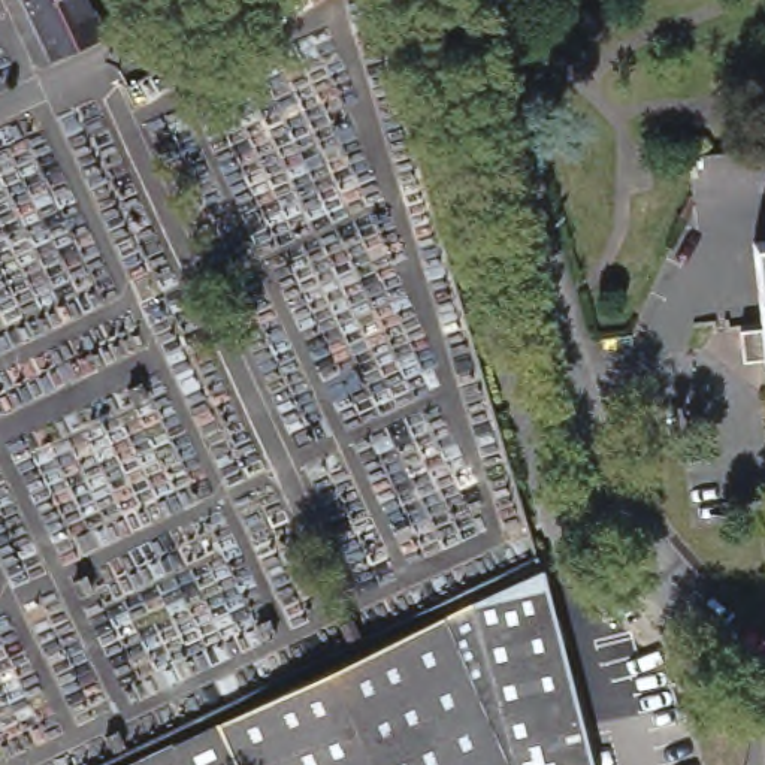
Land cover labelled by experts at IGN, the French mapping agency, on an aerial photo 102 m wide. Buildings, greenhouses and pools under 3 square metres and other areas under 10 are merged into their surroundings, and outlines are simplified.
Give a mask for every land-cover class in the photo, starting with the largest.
<instances>
[{"label":"impervious surface","instance_id":"1","mask_svg":"<svg viewBox=\"0 0 765 765\"><path fill-rule=\"evenodd\" d=\"M266 42L278 54L266 60V69L272 72L269 102L260 114H245L239 128L227 134L194 137L191 131H185L182 120L173 117V108L161 99L170 93V87L158 84L155 75L123 63L111 48L99 42L72 57L51 60L27 0H0V765H134L164 747L185 744L242 711H251L287 690L323 678L436 619H445L475 601H484L538 574L547 577V586L556 601L595 765H765V741L732 747L723 738L693 741L687 735L690 723L678 711L675 681L663 672L660 654H654L660 616L672 622L687 613L717 616V622H729L735 628L744 648L762 657L765 666V568L726 571L720 565H705L678 538L675 529L663 523L660 508L634 496L622 499V514L645 520L648 541H654L657 550L660 583L651 595L639 598V613H631L616 625L592 622L586 610L571 601L568 589L562 586L553 568L550 553L532 550L523 502L517 493V478L505 442L499 436L493 406L487 391L478 388L481 359L475 356L469 341V323L463 317L457 284L448 272L442 248L430 239L427 221L433 209L424 188V164L409 158L403 143V126L391 120L385 96L380 90V78L385 72H394L391 54L383 51L380 42H359V15L353 0H308L302 15H290L284 9L272 15ZM212 275H218L230 287L227 305L233 311H257V332L251 338V347L236 359H227V350L221 347L185 341L191 332H197V323H188L179 314V299L173 290L179 278L188 281ZM293 517L305 526L308 535L323 538L329 547H341L359 577L356 601L344 607L350 622L338 631L332 625H323L317 601L299 595L290 577L284 574L287 547L281 544V532L284 526H290ZM717 15V9L705 6L684 18H666L648 27L628 33L610 27V39L601 45L598 69L589 81L574 87L589 105H595V111L610 123L616 137V221L610 242L601 251V263L586 266L589 287L601 284L604 293L628 290V269L613 263L619 260V251L631 227V197L648 191L654 179L639 161L642 137L645 114L684 108L699 114L708 128L699 143V161L690 170V221H684V233L678 245L666 254L654 290L648 293L639 314L631 335L601 341L586 332L577 290L565 266V248L559 239V218L568 212L556 164L538 161L535 149H523L514 155V167L517 176L526 182L523 203L547 230V239L535 242V248L547 254L541 269L553 278V308L544 311V320L553 323L559 332V344L550 353L553 385H559L565 397L574 403V418L562 421L565 436L580 445L595 442V421L607 418L604 394H613L616 403L631 409L657 403L666 406L663 424H678L681 433H687L696 424L717 430L720 460L690 469V511L699 514V520L705 523H711L714 514L726 517L729 511L750 508L753 499L765 493V359L759 344V296L753 251L765 248V173L744 170L729 155H720L726 140L723 102L714 90L690 102H613L604 90L607 75L619 72V81H628L631 69L637 66V51H642L648 42L663 39L672 42L678 51H690L693 27ZM517 439L529 469L532 496L541 493L535 448L538 430L532 427V418L526 412L514 418Z\"/></svg>","mask_w":765,"mask_h":765},{"label":"deciduous trees","instance_id":"2","mask_svg":"<svg viewBox=\"0 0 765 765\"><path fill-rule=\"evenodd\" d=\"M105 21L99 30V42L111 48L123 63L155 75L158 84L170 87V93L161 99L173 108V117L182 120L185 131H191L194 137L227 134L239 128L245 114H260L269 102L272 72L266 69V60L278 54L266 42L272 15L284 9L290 15H302L308 0H102ZM359 15V42H380L383 51L391 54L394 72H385L380 78V90L385 96L391 120L403 126V143L409 158L424 164V188L433 209L427 221L430 239L442 248L448 272L457 284L463 317L469 323V341L475 356L481 359L478 388L487 391L493 406L508 403L514 418L526 412L532 418V427L538 430L535 448L541 493L532 496L538 529L550 538V553L553 568L562 586L568 589L571 601L586 610L592 622L616 625L631 613H639V598L651 595L660 583L657 550L654 541H648L645 520L622 514V499L634 496L660 508L666 505V490L657 478L660 454L666 451L669 460H681L690 469L720 460L717 430L696 424L687 433H681L678 424H663L666 406L657 403L631 409L616 403L613 394H604L607 418L595 421V442L580 445L565 436L562 421L574 418V403L565 397L559 385H553L550 353L559 344V332L553 323L544 320V311L553 308V278L541 269L547 254L535 248V242L547 239V230L523 203L526 182L517 176L514 167V155L523 149H535L538 161L556 164H580L586 158L598 134L592 126L583 123L595 111V105H589L574 87L565 93L562 108L550 111V105L541 99V81L529 75V66L547 60L550 51L571 33V27L577 24L580 0H353ZM610 27L628 33L648 27L642 21L645 0H601ZM756 12L741 24L738 42L729 45L726 60L714 75V90L723 102L726 140L720 155H729L744 170L765 173V0H750ZM639 161L654 179L669 176L675 164L684 173L690 170L699 161V143L642 137ZM179 299V314L188 323H197V332H191L185 341L221 347L227 350V359H236L251 347V338L257 332V311H233L227 305L230 287L218 275H212L188 281L179 278L173 290ZM720 538L726 544L747 550L750 544L765 541V493L753 499L750 508L729 511L720 529ZM281 544L287 547L284 574L290 577L299 595L317 601L323 625H332L338 631L350 622L344 607L356 601L359 577L341 547H329L323 538L308 535L305 526L293 517L290 526H284L281 532ZM654 654H660L663 672L675 681L678 711L690 723L687 735L693 741L723 738L732 747L765 741V666L762 657L744 648L738 651L735 645L717 642L714 625L672 631V622L660 616Z\"/></svg>","mask_w":765,"mask_h":765},{"label":"building","instance_id":"3","mask_svg":"<svg viewBox=\"0 0 765 765\"><path fill-rule=\"evenodd\" d=\"M51 60L72 57L99 42V30L105 21L102 0H27ZM759 296V344L765 359V248L753 251ZM134 765H595L556 601L547 586V577L538 574L484 601H475L445 619H436L323 678L287 690L251 711H242L185 744L164 747Z\"/></svg>","mask_w":765,"mask_h":765},{"label":"herbaceous vegetation","instance_id":"4","mask_svg":"<svg viewBox=\"0 0 765 765\"><path fill-rule=\"evenodd\" d=\"M610 39V27L601 0H580L577 24L571 27V33L550 51L547 60L529 66V75L541 81V99L550 105V111L562 108L565 93L574 87L589 81L598 69L601 45ZM705 6L717 9V15L693 27L690 51H678L672 42L663 39L648 42L642 51H637V66L631 69L628 81H619V72L607 75L604 90L613 102H690L714 90V75L726 60L729 45L738 42L741 24L756 12L750 0H645L642 21L648 27L666 18H684ZM708 128L699 114L684 108L645 114L642 137L699 143ZM592 126L598 134L586 158L580 164H556L568 212L586 266L601 263V251L610 242L616 221V137L610 123L595 111L583 123ZM690 170L684 173L675 164L669 176L654 179L648 191L631 197V227L619 251V260L613 263L628 269V311L639 314L648 293L654 290L666 254L678 245L684 233V221H690ZM690 469L681 460H669L666 451L660 454L657 478L666 490V505L660 508L663 523L675 529L678 538L705 565H720L726 571L765 568V541L750 544L747 550L726 544L720 538V529L726 517L714 514L711 523H705L699 520V514L690 511ZM714 625L717 642L735 645L738 651L744 648L735 628L729 622H717V616L687 613L672 622V631Z\"/></svg>","mask_w":765,"mask_h":765},{"label":"brushwood","instance_id":"5","mask_svg":"<svg viewBox=\"0 0 765 765\"><path fill-rule=\"evenodd\" d=\"M559 239L565 248V266L577 290L586 332L601 341L631 335L639 314L628 311V290L604 293L601 284L589 287L586 266L568 212L559 218ZM499 436L505 442L517 478V493L523 502L532 550L550 553V538L538 529L532 496L529 469L517 439L514 418L508 403L493 406Z\"/></svg>","mask_w":765,"mask_h":765}]
</instances>
